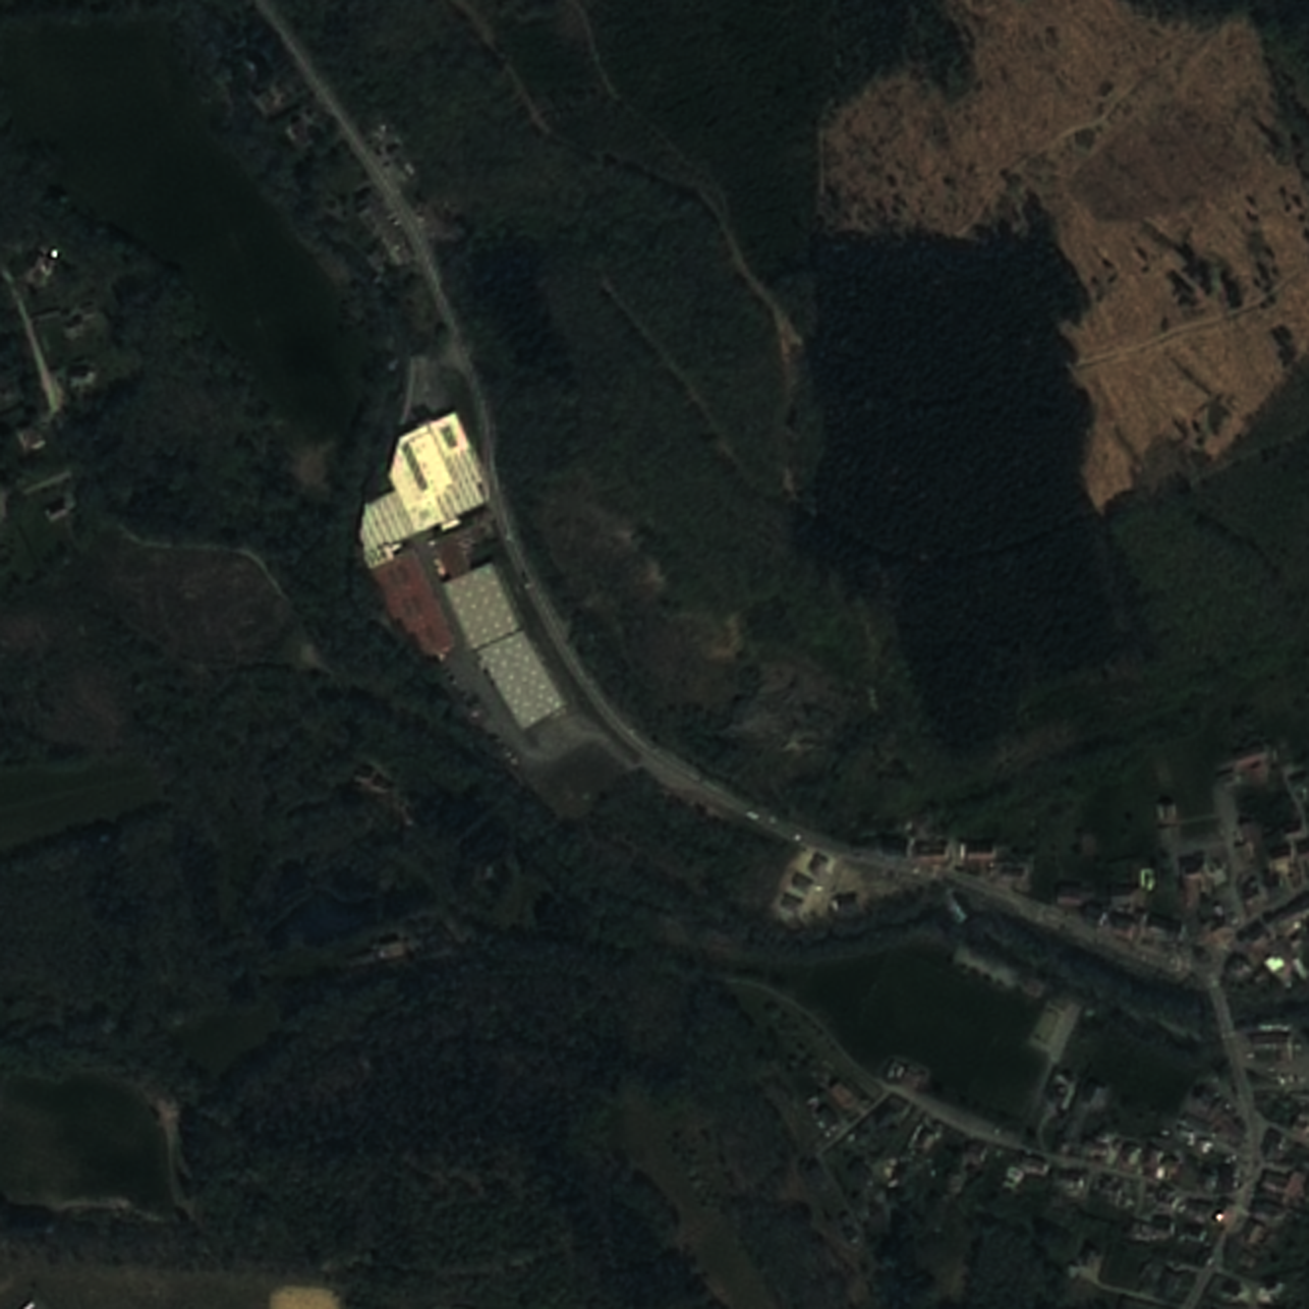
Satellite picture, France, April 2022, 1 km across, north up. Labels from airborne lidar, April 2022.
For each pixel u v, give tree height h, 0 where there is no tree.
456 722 18
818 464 23
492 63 22
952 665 24
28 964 25
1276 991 9
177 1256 25
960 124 0
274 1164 14
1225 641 24
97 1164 0
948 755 25
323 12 22
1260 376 0
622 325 18
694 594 15
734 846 9
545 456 29
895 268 29
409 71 24
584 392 28
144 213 0
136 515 18
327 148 19
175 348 24
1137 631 17
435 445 0
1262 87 0
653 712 15
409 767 22
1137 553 19
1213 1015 17
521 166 18
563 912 15
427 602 0
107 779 0
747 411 24
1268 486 13
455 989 23
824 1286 29
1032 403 27
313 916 0
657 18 10
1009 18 0
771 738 0
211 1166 21
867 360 25
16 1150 0
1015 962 9
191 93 0
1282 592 30
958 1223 0
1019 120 0
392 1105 26
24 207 26
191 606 0
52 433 0
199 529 29
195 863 29
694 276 21
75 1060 13
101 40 0
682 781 0
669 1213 23
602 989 24
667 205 25
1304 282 0
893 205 0
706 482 22
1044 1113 0
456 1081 27
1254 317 0
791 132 7
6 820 0
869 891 0
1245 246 0
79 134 0
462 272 25
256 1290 0
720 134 6
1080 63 0
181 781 19
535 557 20
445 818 26
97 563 0
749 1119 29
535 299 30
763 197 6
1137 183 0
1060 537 26
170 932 40
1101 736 7
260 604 0
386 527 0
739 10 9
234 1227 21
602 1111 19
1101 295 19
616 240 22
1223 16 22
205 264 0
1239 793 0
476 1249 10
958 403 28
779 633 16
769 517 24
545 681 0
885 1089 0
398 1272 9
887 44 17
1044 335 26
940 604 24
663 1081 23
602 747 0
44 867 22
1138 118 0
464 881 27
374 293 14
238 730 9
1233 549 26
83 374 0
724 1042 29
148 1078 19
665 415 24
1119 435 0
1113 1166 0
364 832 16
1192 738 12
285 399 0
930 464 26
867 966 0
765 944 23
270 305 0
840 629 24
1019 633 25
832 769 8
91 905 31
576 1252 8
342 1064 27
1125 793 0
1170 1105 0
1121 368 0
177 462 33
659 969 20
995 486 26
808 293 16
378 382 21
